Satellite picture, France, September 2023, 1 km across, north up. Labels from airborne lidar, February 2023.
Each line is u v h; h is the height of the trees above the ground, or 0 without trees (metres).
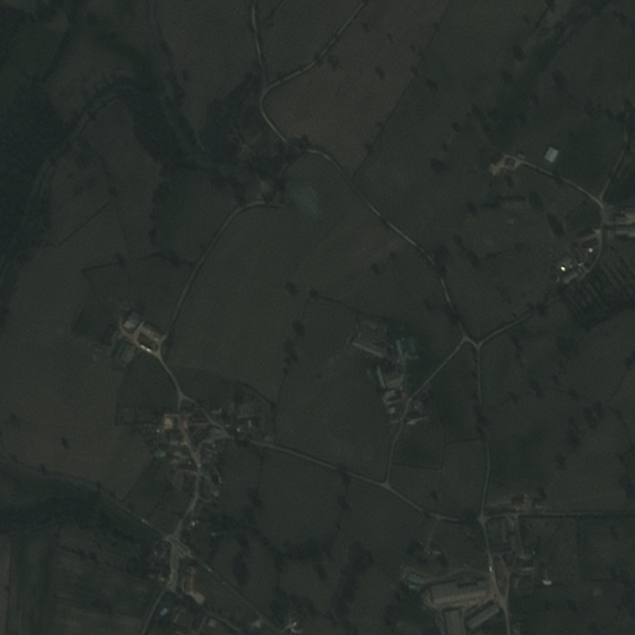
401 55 0
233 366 0
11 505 0
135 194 0
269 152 0
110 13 0
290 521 0
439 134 0
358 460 0
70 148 17
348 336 0
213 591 0
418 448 0
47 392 0
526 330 0
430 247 0
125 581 0
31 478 0
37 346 0
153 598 0
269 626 0
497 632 21
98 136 0
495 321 0
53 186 0
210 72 0
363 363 0
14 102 0
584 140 0
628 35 0
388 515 0
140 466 0
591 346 0
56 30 0
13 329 0
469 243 0
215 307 0
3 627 0
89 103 20
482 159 0
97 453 0
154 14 0
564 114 0
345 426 0
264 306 0
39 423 0
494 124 0
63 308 0
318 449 0
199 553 8
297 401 0
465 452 0
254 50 0
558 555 0
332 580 0
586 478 0
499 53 0
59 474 0
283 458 0
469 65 0
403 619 0
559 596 0
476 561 0
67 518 13
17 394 0
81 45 0
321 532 0
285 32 0
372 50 0
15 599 0
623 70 0
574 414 0
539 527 0
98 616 0
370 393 0
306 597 0
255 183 0
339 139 0
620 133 0
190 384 0
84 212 0
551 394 0
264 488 0
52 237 0
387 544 0
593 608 0
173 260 17
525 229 0
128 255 0
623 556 0
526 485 0
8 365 0
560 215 0
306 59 0
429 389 0
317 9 0
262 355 0
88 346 0
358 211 0
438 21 0
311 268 0
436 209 0
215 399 0
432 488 0
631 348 0
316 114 0
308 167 0
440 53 0
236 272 0
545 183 0
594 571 0
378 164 0
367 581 0
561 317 0
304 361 0
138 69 0
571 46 0
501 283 0
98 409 0
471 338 6
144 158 0
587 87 0
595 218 0
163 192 16
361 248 0
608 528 0
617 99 0
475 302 0
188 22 0
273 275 0
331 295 0
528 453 0
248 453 0
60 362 0
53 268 0
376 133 0
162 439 0
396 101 0
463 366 0
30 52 0
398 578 0
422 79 0
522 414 0
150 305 0
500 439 0
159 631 0
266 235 0
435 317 0
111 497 9
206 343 0
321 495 0
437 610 0
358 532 0
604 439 0
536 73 0
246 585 0
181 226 0
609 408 0
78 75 0
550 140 0
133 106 15
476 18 0
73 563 0
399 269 0
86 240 0
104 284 0
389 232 0
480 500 0
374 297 0
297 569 0
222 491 0
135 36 0
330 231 0
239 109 11
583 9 0
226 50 0
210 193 0
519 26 0
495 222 0
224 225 0
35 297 0
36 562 0
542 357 0
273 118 0
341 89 0
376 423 0
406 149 0
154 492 0
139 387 0
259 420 8
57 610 0
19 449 0
